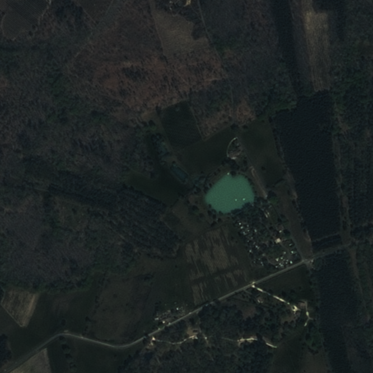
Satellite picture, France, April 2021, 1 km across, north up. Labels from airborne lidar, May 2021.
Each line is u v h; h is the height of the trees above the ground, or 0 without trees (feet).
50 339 0
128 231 47
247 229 40
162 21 0
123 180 49
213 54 31
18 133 41
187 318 0
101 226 49
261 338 49
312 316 0
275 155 0
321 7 48
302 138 41
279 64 57
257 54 47
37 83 39
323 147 46
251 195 0
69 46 42
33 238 40
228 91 66
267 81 62
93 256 34
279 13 44
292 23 45
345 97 45
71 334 0
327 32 0
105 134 59
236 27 46
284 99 50
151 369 55
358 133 82
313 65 0
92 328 0
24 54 55
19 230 45
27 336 0
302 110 38
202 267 0
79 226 0
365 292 67
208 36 37
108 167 49
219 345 58
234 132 40
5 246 58
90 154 54
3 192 70
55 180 66
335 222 40
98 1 0
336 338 38
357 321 34
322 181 44
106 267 64
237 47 42
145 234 50
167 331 36
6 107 34
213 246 0
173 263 0
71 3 65
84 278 56
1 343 54
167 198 0
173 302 0
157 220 41
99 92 34
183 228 0
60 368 0
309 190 43
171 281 0
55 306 0
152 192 0
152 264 0
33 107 38
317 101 46
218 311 61
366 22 48
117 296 0
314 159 46
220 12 43
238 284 0
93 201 65
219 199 0
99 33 48
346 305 35
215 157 0
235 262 0
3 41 36
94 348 0
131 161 52
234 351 52
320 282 33
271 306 24
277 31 29
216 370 65
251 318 0
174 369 71
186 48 0
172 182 0
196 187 29
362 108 99
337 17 52
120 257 52
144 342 25
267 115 43
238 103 50
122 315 0
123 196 43
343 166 50
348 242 0
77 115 66
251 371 70
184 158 0
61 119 62
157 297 0
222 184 0
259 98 47
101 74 0
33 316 0
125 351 0
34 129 36
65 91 48
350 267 44
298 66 50
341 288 38
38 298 0
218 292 0
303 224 26
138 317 0
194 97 56
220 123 0
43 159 29
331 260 36
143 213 47
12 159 48
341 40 58
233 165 24
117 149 48
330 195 43
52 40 47
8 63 67
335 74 52
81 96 51
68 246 38
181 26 0
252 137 0
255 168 0
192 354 67
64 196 57
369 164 51
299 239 0
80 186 64
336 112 70
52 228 51
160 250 48
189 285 0
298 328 35
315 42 0
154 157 0
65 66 51
